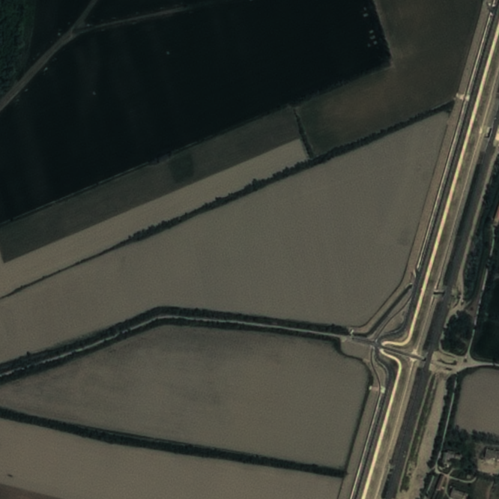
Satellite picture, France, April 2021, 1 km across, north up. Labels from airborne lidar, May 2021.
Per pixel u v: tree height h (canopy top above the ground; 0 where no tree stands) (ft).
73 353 23
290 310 0
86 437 37
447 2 0
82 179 0
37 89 0
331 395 0
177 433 0
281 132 0
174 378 0
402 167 0
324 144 0
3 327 0
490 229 60
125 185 0
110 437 31
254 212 0
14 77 50
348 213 0
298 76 0
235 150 0
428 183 0
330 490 0
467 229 0
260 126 0
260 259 0
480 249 23
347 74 0
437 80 0
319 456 0
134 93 0
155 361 0
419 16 0
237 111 0
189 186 0
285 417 0
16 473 0
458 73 0
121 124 0
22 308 0
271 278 0
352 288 0
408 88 0
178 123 0
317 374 0
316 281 0
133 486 0
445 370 0
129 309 0
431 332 0
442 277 0
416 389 0
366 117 0
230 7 0
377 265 0
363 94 0
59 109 0
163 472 0
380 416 0
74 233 0
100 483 0
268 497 0
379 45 0
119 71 0
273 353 0
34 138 0
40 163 0
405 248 0
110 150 0
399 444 0
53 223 0
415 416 0
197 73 0
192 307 0
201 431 0
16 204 0
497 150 0
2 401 0
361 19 0
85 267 0
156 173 0
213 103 0
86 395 0
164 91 0
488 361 0
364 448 0
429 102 0
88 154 0
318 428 0
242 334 0
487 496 0
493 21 0
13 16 48
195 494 0
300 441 0
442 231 0
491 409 0
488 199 61
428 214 0
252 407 0
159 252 0
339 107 0
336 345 0
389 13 0
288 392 0
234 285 0
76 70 0
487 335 0
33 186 0
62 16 0
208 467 0
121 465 0
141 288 0
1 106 0
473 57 0
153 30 0
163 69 0
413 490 0
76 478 0
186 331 0
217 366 0
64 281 0
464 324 49
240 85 0
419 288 0
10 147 0
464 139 0
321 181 0
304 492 0
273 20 0
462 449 42
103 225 0
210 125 0
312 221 0
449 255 0
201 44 0
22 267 0
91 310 0
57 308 0
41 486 0
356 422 0
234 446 0
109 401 0
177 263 0
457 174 0
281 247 0
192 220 0
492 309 0
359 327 0
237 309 0
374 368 0
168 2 0
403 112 0
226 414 0
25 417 24
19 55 27
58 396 0
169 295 0
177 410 0
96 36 0
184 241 0
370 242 0
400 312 0
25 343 0
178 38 0
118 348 0
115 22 0
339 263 0
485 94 0
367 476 0
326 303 0
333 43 0
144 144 0
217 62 0
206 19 0
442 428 25
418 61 0
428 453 0
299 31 0
